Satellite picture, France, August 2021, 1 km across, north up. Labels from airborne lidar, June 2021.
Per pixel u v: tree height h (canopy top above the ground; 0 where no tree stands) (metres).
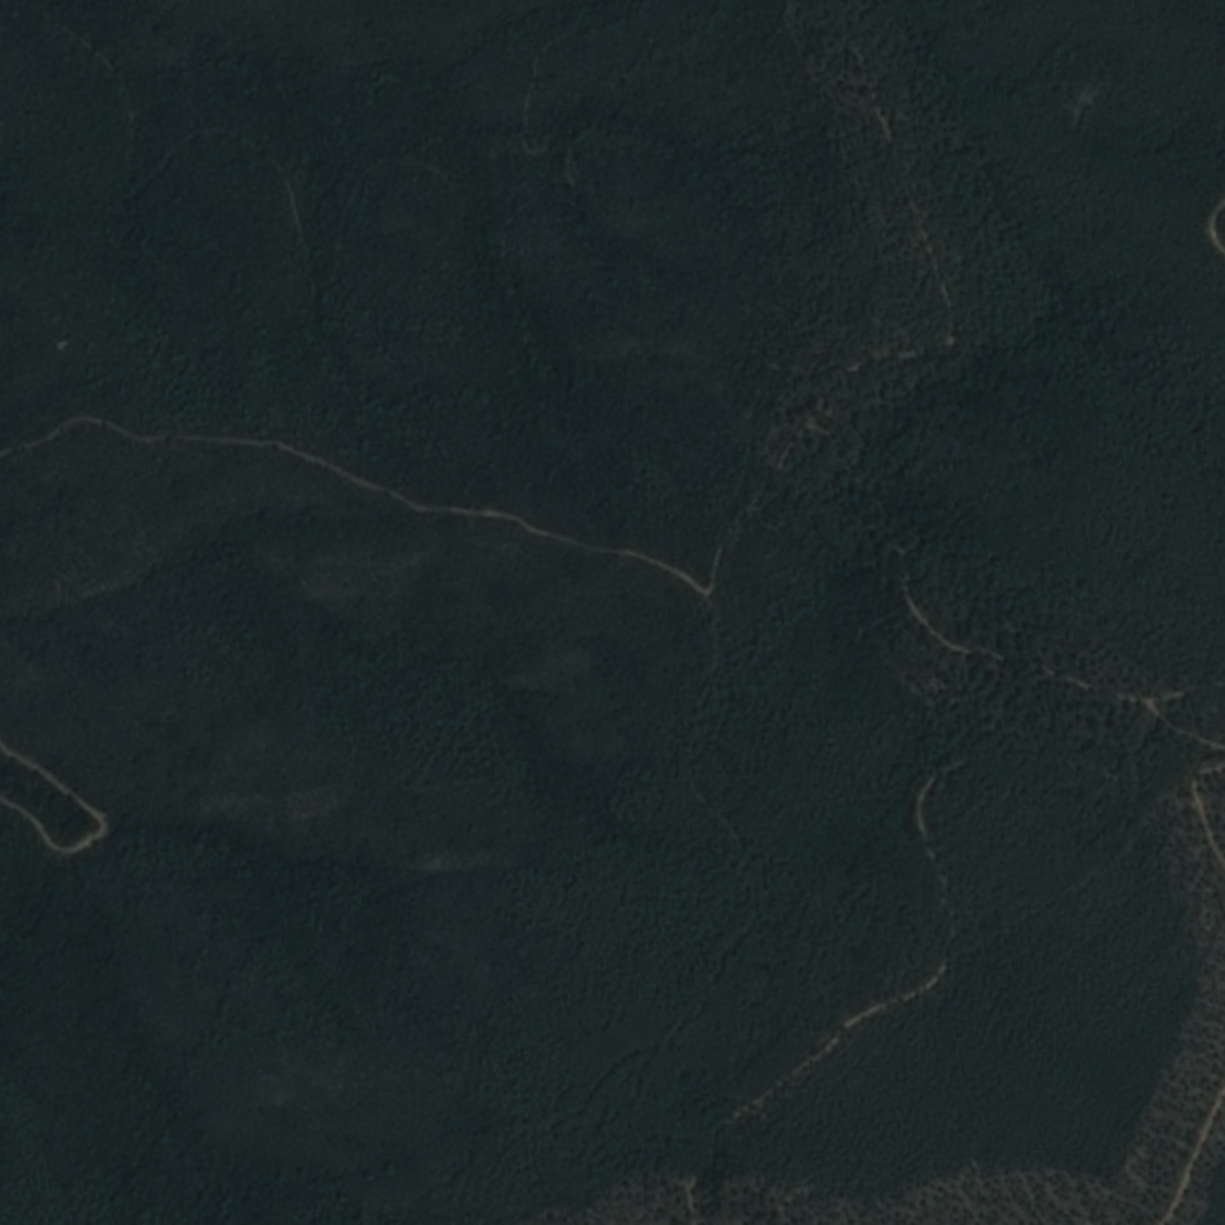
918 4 8
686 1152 12
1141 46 0
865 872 8
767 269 8
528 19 9
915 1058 6
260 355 8
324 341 7
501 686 7
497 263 9
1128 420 8
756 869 9
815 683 6
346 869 8
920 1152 6
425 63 6
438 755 8
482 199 10
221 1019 6
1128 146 9
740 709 8
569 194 8
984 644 9
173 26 7
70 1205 7
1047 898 6
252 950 7
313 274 7
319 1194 6
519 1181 6
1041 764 9
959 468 5
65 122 6
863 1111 5
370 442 7
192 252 6
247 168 6
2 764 7
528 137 6
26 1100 7
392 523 6
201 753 8
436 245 6
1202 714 8
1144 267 8
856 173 8
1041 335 10
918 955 7
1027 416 9
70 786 7
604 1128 9
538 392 7
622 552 0
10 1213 7
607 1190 6
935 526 10
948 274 6
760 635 7
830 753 6
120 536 6
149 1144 6
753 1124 6
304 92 8
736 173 5
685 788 8
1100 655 6
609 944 8
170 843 7
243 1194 6
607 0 6
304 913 8
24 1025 7
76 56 6
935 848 6
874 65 10
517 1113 9
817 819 7
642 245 6
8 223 7
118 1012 9
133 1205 6
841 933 8
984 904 6
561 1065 7
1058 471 6
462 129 7
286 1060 0
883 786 7
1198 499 8
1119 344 9
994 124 11
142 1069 7
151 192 7
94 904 5
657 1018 8
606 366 7
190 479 7
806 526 7
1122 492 8
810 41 8
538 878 7
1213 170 5
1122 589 9
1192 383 8
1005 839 6
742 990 8
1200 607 7
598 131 11
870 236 7
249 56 9
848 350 7
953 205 9
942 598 12
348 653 12
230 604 7
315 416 5
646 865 9
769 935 8
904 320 7
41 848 6
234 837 9
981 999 6
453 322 6
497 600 6
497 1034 6
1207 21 5
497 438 6
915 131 10
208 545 7
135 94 6
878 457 7
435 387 7
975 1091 6
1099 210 6
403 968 7
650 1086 6
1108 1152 7
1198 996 6
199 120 6
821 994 6
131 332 10
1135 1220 6
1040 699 8
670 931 7
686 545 6
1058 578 9
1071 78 6
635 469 7
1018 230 6
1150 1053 6
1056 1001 6
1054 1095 6
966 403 6
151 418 7
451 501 6
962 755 9
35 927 9
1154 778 8
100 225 8
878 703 6
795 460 7
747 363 7
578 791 10
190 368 8
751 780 6
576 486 7
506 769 8
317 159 7
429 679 7
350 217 6
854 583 7
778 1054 9
